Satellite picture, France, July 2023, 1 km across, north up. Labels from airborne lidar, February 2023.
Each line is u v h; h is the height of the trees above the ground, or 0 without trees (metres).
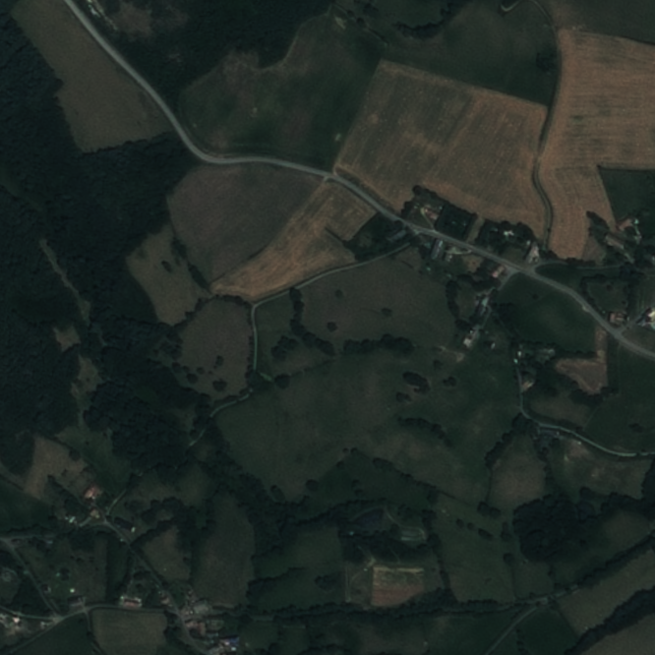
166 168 8
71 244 25
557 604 11
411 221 0
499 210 0
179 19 0
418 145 0
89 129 0
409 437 0
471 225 11
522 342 8
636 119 0
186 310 0
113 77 0
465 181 0
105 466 0
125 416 18
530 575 0
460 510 0
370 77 0
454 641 0
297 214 0
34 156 16
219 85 0
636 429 10
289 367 0
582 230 0
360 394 0
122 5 0
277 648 12
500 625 0
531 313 0
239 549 0
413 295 0
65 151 11
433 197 8
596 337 0
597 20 0
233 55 0
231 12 12
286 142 0
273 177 0
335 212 0
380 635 0
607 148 0
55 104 16
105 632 0
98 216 12
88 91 0
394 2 0
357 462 0
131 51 8
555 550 18
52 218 7
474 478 0
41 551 12
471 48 0
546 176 0
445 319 0
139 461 17
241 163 0
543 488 0
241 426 0
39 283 19
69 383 19
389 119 0
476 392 0
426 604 7
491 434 0
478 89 0
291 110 0
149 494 0
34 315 7
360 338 0
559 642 0
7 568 15
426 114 0
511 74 0
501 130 0
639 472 0
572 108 0
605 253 0
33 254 22
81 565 11
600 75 0
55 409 19
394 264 0
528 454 0
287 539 20
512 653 0
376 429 0
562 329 0
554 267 0
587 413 0
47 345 26
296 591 0
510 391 0
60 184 19
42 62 15
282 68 0
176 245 9
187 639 0
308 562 0
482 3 0
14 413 6
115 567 0
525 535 20
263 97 0
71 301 8
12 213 25
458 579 0
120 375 11
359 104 0
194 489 0
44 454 0
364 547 13
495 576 0
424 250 11
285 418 0
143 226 8
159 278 0
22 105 26
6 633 0
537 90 0
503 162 0
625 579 0
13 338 13
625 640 0
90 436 0
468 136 0
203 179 0
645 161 0
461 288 10
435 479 0
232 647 0
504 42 0
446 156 0
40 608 7
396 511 0
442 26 8
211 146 0
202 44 8
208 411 19
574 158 0
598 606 0
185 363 0
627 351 0
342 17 0
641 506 16
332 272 0
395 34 0
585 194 0
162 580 7
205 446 0
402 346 15
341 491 0
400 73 0
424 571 0
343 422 0
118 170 16
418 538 0
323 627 0
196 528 11
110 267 14
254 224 0
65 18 0
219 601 0
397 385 0
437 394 0
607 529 0
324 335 0
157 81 7
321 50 0
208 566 0
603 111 0
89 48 0
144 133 0
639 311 0
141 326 18
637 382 0
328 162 0
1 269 21
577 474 0
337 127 0
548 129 0
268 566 0
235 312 0
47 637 0
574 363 0
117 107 0
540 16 0
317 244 0
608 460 0
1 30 26
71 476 0
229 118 0
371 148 0
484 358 0
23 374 13
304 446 0
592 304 9
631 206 0
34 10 0
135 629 0
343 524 16
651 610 18
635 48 0
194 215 0
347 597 0
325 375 0
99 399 20
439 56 0
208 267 0
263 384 27
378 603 0
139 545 10
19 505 0
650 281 0
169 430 18
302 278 0
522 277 0
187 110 0
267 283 0
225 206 0
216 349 0
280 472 0
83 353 13
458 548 0
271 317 0
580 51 0
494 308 11
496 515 17
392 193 0
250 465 0
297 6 15
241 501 7
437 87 0
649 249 8
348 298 0
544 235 0
